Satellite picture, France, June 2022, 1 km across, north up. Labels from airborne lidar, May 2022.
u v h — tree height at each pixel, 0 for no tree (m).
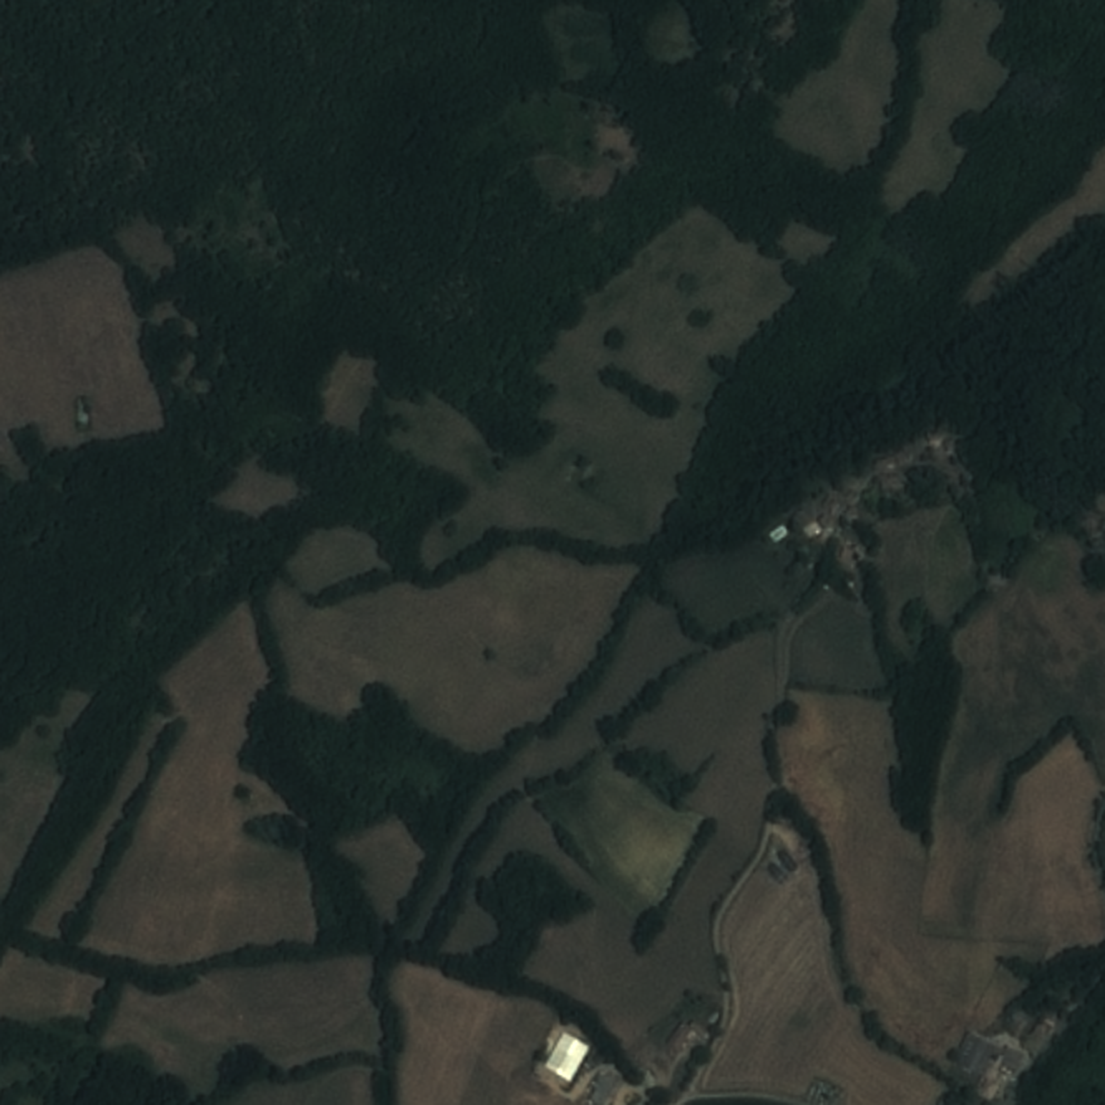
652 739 0
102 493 16
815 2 13
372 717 19
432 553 0
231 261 13
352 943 18
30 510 17
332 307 8
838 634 0
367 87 12
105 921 0
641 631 0
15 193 11
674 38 0
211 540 14
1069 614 0
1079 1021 16
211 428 14
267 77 12
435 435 0
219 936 0
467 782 14
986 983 0
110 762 23
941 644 17
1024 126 10
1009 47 11
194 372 10
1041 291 35
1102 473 16
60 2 12
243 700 0
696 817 0
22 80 12
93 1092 25
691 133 15
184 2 16
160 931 0
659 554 20
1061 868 0
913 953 0
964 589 0
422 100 20
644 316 0
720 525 22
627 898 0
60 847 19
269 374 15
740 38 14
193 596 11
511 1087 0
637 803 0
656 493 0
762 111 16
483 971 18
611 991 0
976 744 0
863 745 0
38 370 0
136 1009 0
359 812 8
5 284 0
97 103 14
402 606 0
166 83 13
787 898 0
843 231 16
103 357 0
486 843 17
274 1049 0
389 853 0
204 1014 0
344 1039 0
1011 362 24
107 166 13
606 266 11
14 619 13
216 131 9
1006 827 0
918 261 19
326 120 12
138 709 16
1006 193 15
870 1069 0
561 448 0
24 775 0
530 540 13
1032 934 0
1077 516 14
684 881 8
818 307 18
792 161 24
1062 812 0
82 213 12
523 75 15
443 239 14
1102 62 10
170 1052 0
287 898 0
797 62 12
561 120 0
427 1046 0
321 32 10
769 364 17
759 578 0
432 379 17
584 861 7
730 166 20
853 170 10
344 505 16
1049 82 19
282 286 6
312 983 0
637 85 18
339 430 8
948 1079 6
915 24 20
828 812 0
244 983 0
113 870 12
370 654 0
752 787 0
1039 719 0
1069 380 15
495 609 0
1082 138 19
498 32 13
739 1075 0
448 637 0
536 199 10
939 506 8
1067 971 11
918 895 0
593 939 0
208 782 0
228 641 0
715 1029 11
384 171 16
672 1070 0
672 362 0
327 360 14
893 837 0
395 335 13
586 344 0
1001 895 0
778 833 0
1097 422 15
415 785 10
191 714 0
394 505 12
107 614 11
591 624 0
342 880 13
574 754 0
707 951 0
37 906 11
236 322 15
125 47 9
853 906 0
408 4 8
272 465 12
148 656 14
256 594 14
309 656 0
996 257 18
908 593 0
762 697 0
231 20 16
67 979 0
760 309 0
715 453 15
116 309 0
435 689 0
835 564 13
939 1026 0
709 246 0
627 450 0
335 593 14
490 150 6
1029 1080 18
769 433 21
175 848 0
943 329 26
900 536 0
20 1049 14
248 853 0
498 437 20
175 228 11
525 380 17
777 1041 0
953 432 15
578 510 0
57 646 13
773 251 14
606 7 15
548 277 15
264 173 8
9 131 11
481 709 0
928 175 0
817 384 18
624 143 0
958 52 0
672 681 11
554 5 16
